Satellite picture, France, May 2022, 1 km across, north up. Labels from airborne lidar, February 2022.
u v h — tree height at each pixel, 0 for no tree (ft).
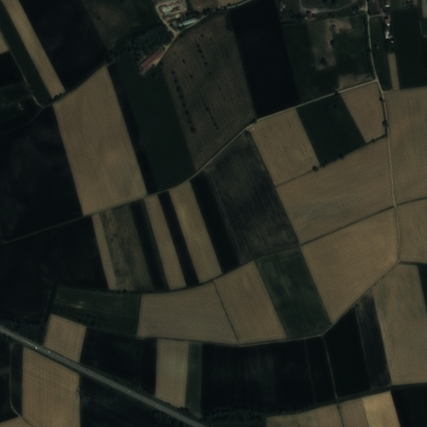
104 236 0
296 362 0
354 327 0
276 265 0
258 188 0
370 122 0
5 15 0
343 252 0
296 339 0
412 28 0
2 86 0
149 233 0
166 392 0
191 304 0
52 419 0
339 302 0
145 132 0
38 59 0
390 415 0
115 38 0
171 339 0
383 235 0
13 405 0
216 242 0
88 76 0
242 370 0
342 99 0
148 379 0
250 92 0
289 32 0
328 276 0
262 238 0
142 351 0
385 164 0
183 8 0
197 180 0
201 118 0
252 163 0
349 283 0
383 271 0
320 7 0
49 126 0
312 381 0
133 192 0
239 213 0
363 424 0
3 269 0
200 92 0
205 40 0
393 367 0
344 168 0
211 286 0
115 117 0
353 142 0
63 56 0
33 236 0
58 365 0
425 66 0
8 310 0
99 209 0
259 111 0
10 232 0
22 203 0
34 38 0
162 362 0
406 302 0
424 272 0
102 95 0
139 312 0
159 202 0
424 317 0
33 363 0
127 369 0
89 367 0
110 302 0
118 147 0
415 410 0
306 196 0
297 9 0
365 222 0
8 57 0
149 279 0
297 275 0
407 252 0
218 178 0
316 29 0
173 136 0
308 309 0
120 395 0
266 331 0
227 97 0
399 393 0
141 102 0
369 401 0
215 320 0
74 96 0
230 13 0
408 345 0
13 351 0
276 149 0
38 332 55
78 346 0
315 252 0
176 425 25
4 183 0
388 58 0
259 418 41
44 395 0
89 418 0
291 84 0
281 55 0
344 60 0
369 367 0
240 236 0
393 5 0
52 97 0
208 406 0
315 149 0
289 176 0
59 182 0
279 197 0
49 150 0
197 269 0
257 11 0
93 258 0
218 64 0
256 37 0
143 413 0
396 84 0
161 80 0
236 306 0
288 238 0
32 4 0
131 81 0
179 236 0
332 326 0
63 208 0
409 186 0
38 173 0
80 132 0
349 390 0
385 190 0
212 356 0
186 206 0
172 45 0
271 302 0
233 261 0
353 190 0
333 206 0
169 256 0
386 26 37
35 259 0
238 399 0
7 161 0
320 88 0
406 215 0
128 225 0
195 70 0
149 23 0
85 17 0
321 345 0
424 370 0
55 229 0
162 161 0
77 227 0
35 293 0
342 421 0
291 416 0
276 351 0
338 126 0
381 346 0
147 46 47
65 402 0
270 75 0
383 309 0
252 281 0
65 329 0
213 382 0
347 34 0
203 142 0
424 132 0
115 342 0
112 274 0
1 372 0
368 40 22
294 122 0
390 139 0
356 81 0
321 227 0
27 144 0
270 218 0
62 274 0
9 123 0
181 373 0
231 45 0
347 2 0
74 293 0
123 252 0
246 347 0
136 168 0
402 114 0
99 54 0
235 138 0
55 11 0
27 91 0
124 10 0
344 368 0
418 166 0
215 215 0
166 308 0
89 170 0
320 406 0
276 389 0
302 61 0
